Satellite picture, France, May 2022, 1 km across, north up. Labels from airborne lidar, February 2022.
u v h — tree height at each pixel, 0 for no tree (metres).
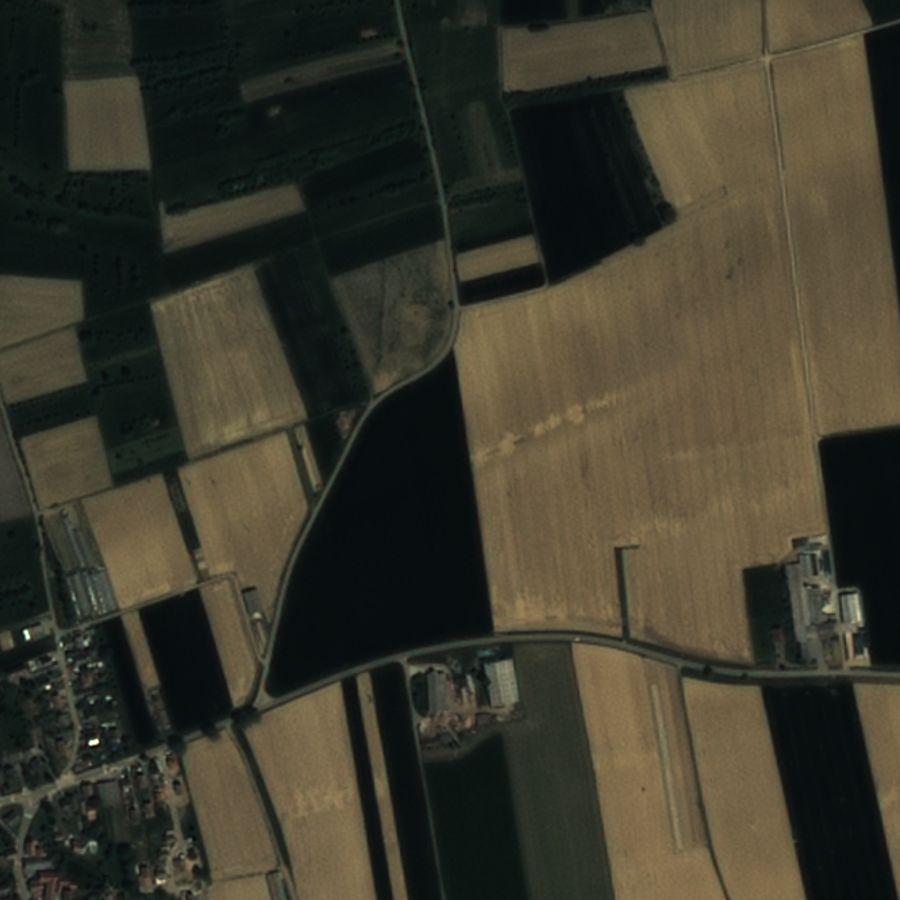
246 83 0
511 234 0
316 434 0
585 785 0
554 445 0
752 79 0
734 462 0
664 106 0
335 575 0
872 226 0
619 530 0
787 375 0
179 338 0
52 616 0
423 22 0
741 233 0
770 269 0
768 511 0
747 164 0
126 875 12
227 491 0
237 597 0
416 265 0
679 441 0
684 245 0
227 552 0
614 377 0
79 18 0
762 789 0
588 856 0
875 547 0
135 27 0
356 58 0
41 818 0
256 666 0
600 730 0
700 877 0
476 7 0
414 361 0
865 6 0
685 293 0
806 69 0
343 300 0
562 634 0
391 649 0
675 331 0
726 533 0
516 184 0
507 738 0
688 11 0
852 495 0
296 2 0
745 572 0
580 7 0
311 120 0
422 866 0
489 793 0
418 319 0
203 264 0
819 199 0
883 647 0
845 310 0
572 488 0
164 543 0
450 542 0
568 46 0
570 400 0
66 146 0
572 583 0
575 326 0
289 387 0
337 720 0
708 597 0
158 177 0
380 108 0
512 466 0
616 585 0
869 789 0
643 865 0
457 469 0
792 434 0
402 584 0
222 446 0
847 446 0
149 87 7
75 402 0
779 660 0
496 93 0
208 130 0
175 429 0
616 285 0
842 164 0
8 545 0
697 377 0
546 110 0
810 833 0
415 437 0
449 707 0
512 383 0
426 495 0
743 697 0
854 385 0
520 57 0
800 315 0
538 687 0
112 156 0
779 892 0
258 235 0
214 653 0
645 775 0
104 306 0
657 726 0
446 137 0
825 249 0
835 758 0
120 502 0
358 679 0
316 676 0
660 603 0
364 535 0
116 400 0
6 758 0
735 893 0
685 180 0
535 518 0
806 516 0
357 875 0
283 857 0
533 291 0
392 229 0
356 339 0
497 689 0
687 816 0
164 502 0
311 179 0
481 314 0
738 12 0
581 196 0
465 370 0
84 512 0
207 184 0
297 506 0
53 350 0
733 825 0
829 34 0
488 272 0
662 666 0
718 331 0
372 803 0
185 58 8
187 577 0
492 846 0
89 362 0
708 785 0
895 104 0
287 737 0
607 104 0
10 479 0
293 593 0
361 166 0
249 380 0
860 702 0
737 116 0
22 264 0
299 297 0
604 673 0
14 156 0
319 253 0
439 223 0
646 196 0
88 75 0
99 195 0
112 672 0
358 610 0
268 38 0
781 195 0
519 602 0
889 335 0
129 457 0
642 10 0
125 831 0
